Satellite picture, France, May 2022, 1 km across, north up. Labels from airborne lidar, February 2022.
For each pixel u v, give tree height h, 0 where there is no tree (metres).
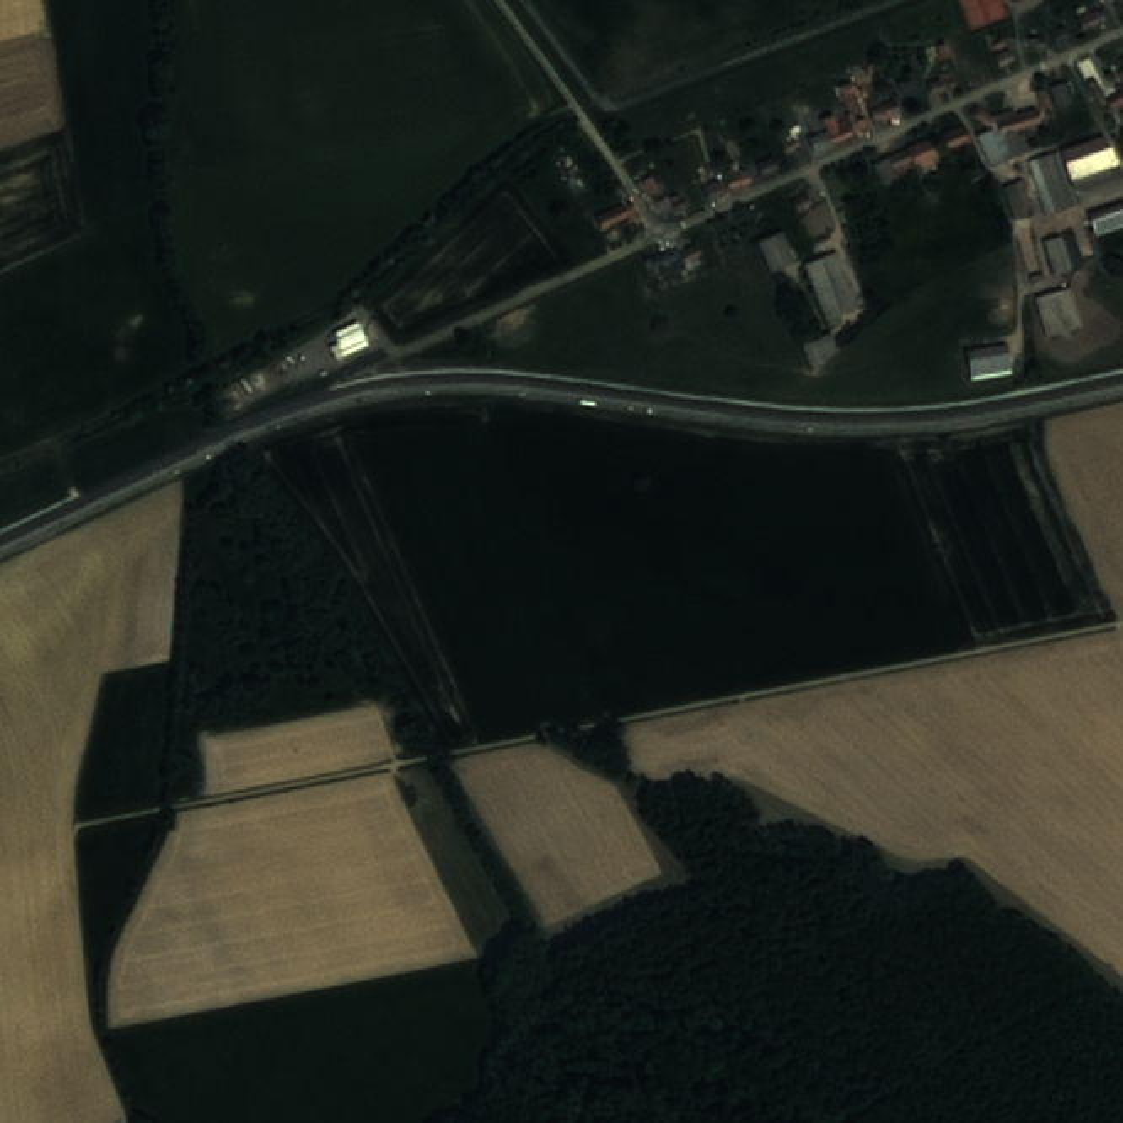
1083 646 0
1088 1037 20
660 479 0
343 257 0
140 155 0
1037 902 0
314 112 0
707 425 0
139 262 0
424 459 0
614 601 0
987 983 21
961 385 0
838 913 22
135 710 0
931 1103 16
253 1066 0
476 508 0
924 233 0
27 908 0
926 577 0
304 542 19
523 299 0
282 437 0
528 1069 31
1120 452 0
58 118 0
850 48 0
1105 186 0
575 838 0
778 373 0
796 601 0
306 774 0
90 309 0
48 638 0
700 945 21
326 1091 0
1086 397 0
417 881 0
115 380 0
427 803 0
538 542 0
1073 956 17
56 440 0
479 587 0
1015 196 0
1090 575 0
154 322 0
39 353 0
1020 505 0
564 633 0
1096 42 0
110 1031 0
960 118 0
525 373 0
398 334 0
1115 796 0
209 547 0
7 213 0
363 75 0
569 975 29
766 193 0
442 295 0
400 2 0
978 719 0
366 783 0
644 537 0
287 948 0
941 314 0
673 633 0
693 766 0
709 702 0
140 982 0
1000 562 0
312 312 0
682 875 0
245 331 0
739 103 0
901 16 0
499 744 0
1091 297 0
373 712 0
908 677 0
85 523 0
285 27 0
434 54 0
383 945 0
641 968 29
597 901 0
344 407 0
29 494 0
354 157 0
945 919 21
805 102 0
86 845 0
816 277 0
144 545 0
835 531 0
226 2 0
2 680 0
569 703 0
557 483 0
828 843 23
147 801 0
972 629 0
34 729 0
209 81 0
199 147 0
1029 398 0
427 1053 0
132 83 0
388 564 0
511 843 0
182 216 0
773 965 23
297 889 0
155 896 0
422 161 0
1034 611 0
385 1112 0
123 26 0
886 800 0
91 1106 0
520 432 0
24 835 0
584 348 0
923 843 0
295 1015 0
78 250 0
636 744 0
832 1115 23
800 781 0
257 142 0
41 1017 0
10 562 0
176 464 0
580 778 0
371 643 18
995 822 0
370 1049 0
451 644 0
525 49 0
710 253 0
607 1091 33
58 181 0
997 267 0
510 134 0
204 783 0
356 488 0
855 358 0
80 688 0
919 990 23
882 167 0
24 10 0
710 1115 28
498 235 0
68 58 0
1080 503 0
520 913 17
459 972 0
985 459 0
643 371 0
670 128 0
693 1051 32
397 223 0
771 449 0
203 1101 0
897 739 0
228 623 18
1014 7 0
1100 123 0
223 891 0
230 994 0
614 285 0
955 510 0
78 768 0
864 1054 25
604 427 0
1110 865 0
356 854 0
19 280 0
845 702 0
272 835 0
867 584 0
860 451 0
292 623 15
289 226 0
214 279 0
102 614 0
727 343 0
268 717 0
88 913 0
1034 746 0
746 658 0
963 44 0
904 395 0
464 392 0
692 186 0
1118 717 0
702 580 0
